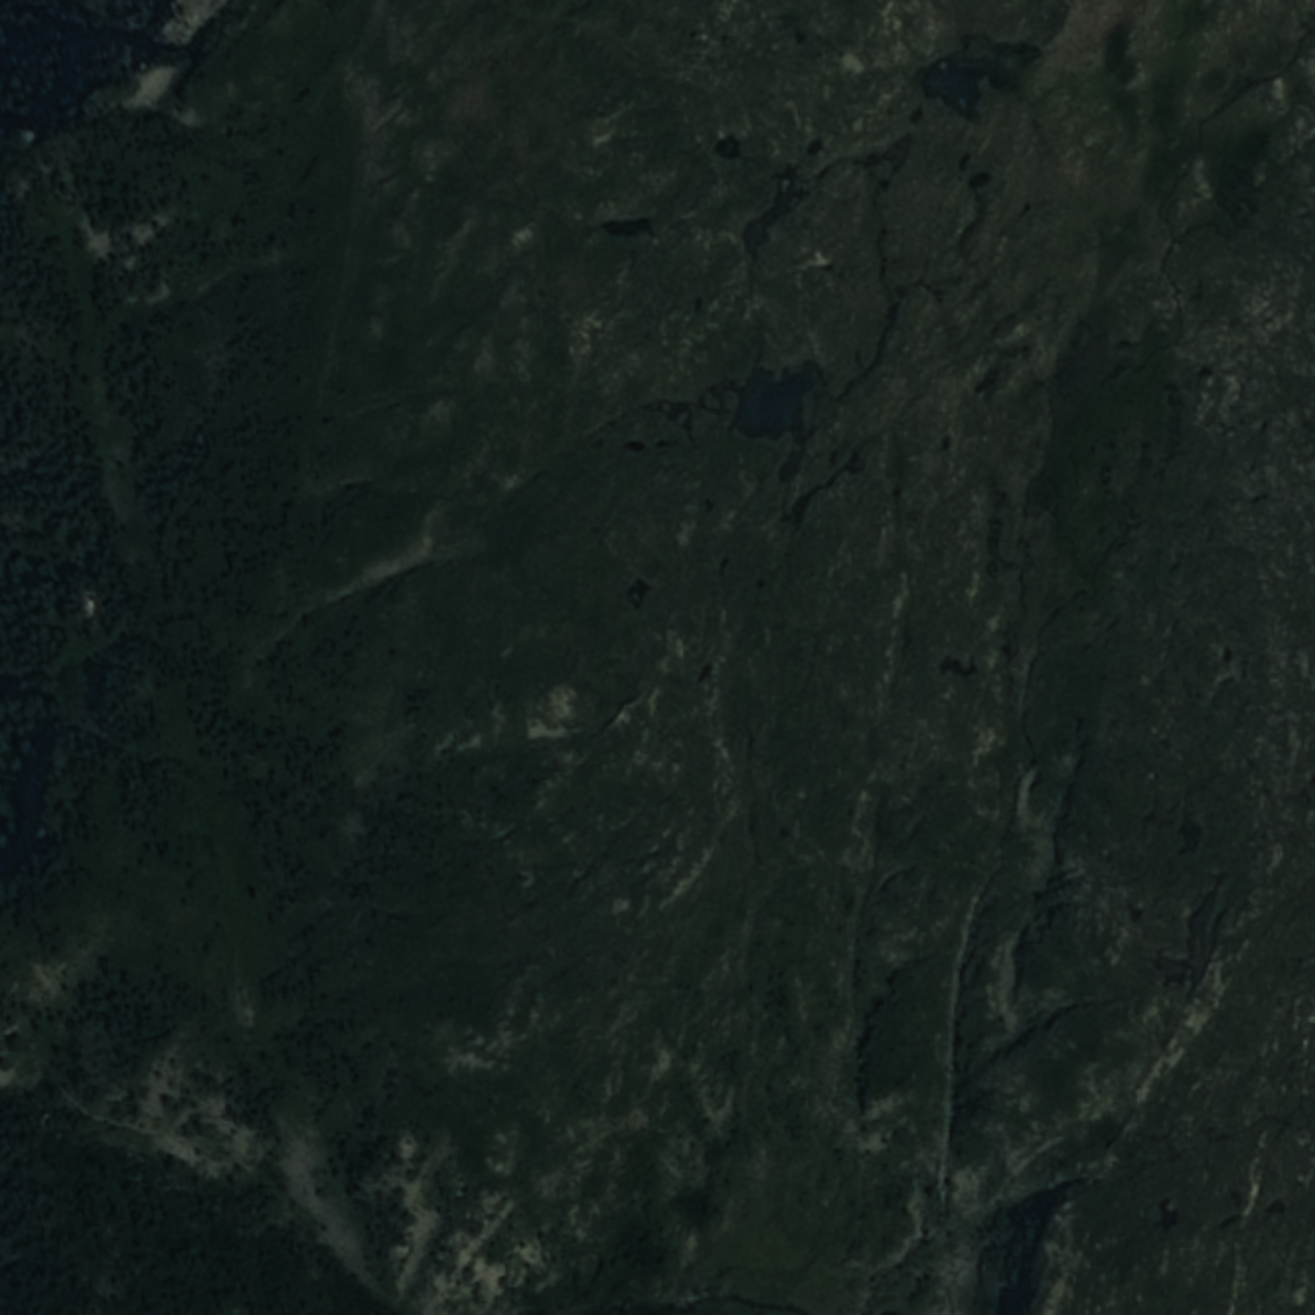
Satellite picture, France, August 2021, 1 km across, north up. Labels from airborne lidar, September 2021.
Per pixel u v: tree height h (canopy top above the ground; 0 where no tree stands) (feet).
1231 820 0
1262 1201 0
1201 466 0
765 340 0
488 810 0
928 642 0
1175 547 0
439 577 0
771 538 0
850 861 0
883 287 0
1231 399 0
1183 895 0
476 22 0
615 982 0
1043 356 0
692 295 0
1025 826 0
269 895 0
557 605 0
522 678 0
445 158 0
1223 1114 0
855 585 0
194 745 0
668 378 0
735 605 0
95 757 30
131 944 0
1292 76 0
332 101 0
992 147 0
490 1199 0
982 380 0
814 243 0
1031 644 0
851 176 0
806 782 0
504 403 0
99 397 0
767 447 0
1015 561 0
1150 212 0
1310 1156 0
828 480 0
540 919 0
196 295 0
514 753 0
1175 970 0
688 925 0
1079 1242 0
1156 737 0
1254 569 0
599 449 0
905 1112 0
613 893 0
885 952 0
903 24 0
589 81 0
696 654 0
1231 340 0
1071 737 0
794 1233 0
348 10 0
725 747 0
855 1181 0
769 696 0
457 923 0
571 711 0
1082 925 0
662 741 0
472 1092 0
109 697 25
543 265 0
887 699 0
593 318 0
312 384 0
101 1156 23
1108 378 0
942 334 0
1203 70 0
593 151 0
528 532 0
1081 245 0
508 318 0
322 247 0
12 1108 31
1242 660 0
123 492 0
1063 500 0
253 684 0
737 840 0
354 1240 0
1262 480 0
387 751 0
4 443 25
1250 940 0
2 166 32
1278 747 0
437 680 0
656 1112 0
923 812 0
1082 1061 0
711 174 0
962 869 0
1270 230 0
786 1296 0
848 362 0
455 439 0
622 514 0
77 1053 28
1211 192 0
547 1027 0
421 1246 0
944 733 0
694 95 0
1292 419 0
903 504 0
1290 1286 0
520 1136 0
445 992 0
